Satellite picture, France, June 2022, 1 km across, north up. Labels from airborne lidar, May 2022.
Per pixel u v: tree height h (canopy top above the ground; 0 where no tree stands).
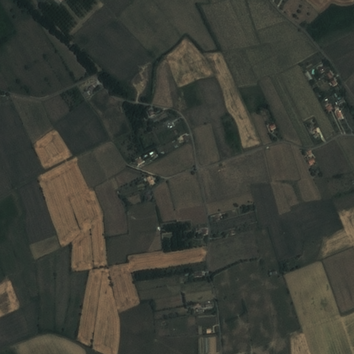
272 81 0
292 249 0
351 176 0
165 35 0
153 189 0
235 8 0
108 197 0
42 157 0
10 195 0
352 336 0
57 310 0
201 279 7
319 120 0
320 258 0
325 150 0
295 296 0
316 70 11
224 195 0
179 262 0
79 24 0
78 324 5
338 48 0
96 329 0
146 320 0
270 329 0
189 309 8
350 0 0
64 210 0
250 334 0
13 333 0
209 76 0
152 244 0
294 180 0
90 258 0
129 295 0
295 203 0
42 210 0
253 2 0
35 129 0
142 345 0
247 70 0
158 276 14
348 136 0
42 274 0
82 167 0
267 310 0
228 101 0
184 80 0
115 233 0
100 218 0
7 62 0
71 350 0
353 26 0
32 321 0
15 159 0
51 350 0
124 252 0
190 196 0
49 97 0
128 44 0
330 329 0
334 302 0
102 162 0
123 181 0
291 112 0
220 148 0
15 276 0
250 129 0
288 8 0
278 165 0
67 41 16
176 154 0
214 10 0
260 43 0
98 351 0
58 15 7
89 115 0
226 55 0
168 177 0
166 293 0
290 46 0
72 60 0
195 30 0
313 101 0
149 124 10
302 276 0
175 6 0
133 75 0
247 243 0
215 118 0
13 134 0
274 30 0
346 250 0
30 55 0
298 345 0
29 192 0
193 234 8
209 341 0
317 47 0
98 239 0
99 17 0
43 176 0
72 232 0
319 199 0
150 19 0
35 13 14
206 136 0
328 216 0
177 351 0
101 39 0
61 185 0
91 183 0
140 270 8
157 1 0
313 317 0
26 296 0
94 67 15
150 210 0
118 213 0
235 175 0
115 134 0
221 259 0
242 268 0
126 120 0
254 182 0
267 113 0
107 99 0
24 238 0
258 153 0
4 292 0
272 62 0
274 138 9
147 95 0
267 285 0
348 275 0
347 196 0
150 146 11
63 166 0
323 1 0
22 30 0
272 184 0
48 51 0
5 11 0
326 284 0
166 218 0
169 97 0
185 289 0
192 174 9
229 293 0
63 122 0
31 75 0
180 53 0
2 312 0
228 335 0
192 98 0
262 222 0
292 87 0
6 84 0
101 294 0
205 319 0
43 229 0
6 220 0
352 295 0
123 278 0
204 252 0
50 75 0
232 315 0
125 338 0
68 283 0
